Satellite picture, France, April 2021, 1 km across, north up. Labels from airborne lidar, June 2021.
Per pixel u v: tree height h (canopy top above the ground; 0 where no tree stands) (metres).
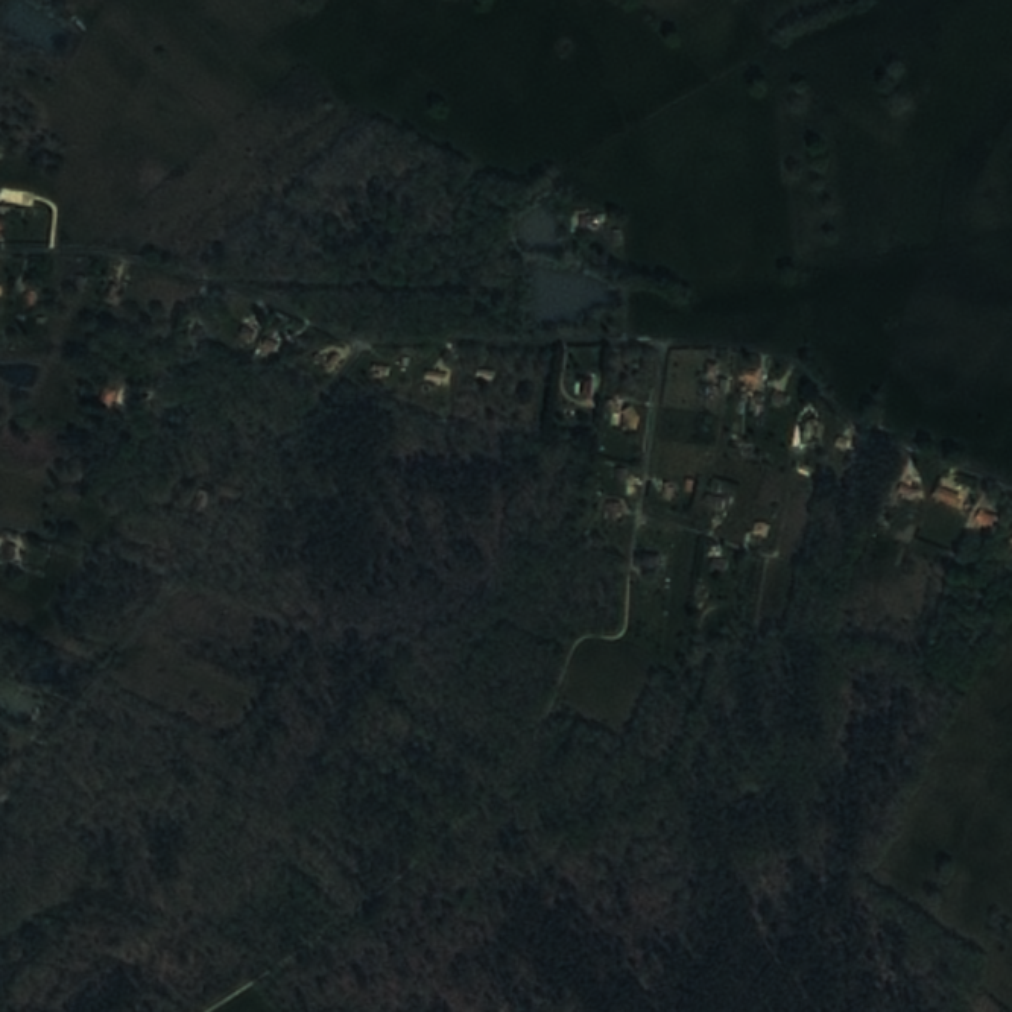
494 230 21
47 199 0
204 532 14
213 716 8
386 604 11
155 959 11
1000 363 0
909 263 0
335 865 16
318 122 0
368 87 0
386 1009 10
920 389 0
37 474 0
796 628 18
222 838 15
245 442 18
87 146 0
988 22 0
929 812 0
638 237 0
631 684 0
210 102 0
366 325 19
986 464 0
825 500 18
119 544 13
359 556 25
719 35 0
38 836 16
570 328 17
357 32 0
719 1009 17
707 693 17
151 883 16
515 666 22
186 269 10
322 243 17
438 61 0
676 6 0
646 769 15
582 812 16
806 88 11
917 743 18
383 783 25
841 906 23
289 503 20
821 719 21
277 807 18
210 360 19
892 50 0
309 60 0
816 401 7
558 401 12
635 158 0
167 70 0
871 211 0
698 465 0
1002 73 0
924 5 0
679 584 0
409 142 16
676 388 0
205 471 12
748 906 16
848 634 9
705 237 0
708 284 0
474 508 24
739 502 0
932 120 0
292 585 11
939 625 18
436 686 19
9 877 17
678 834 12
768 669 17
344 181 11
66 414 0
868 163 0
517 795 10
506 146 0
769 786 21
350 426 29
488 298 16
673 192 0
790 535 0
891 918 16
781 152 0
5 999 24
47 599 0
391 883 14
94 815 14
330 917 15
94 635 13
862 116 0
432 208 19
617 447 0
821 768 20
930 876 0
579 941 17
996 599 22
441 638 16
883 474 22
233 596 20
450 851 14
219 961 17
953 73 0
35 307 10
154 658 0
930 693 18
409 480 24
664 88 0
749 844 20
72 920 9
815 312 0
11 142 6
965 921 0
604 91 0
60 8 16
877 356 0
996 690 0
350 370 0
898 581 0
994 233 0
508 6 0
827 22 15
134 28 0
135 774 15
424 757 24
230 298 16
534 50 0
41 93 0
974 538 15
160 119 0
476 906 12
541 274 0
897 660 19
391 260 22
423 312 22
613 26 0
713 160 0
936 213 0
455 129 0
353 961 11
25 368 0
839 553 17
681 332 0
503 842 14
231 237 12
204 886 15
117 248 7
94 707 11
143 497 17
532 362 11
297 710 11
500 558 16
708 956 17
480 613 17
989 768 0
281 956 12
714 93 0
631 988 16
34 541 9
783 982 15
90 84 0
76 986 12
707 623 0
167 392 20
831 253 0
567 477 12
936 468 0
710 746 16
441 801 16
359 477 29
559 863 12
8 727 21
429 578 18
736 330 0
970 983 18
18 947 13
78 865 12
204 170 0
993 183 0
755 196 0
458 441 19
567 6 0
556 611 21
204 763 13
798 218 0
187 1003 21
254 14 0
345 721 13
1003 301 0
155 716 12
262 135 0
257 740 12
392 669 24
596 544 12
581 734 15
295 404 21
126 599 17
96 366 22
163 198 0
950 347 0
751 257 0
